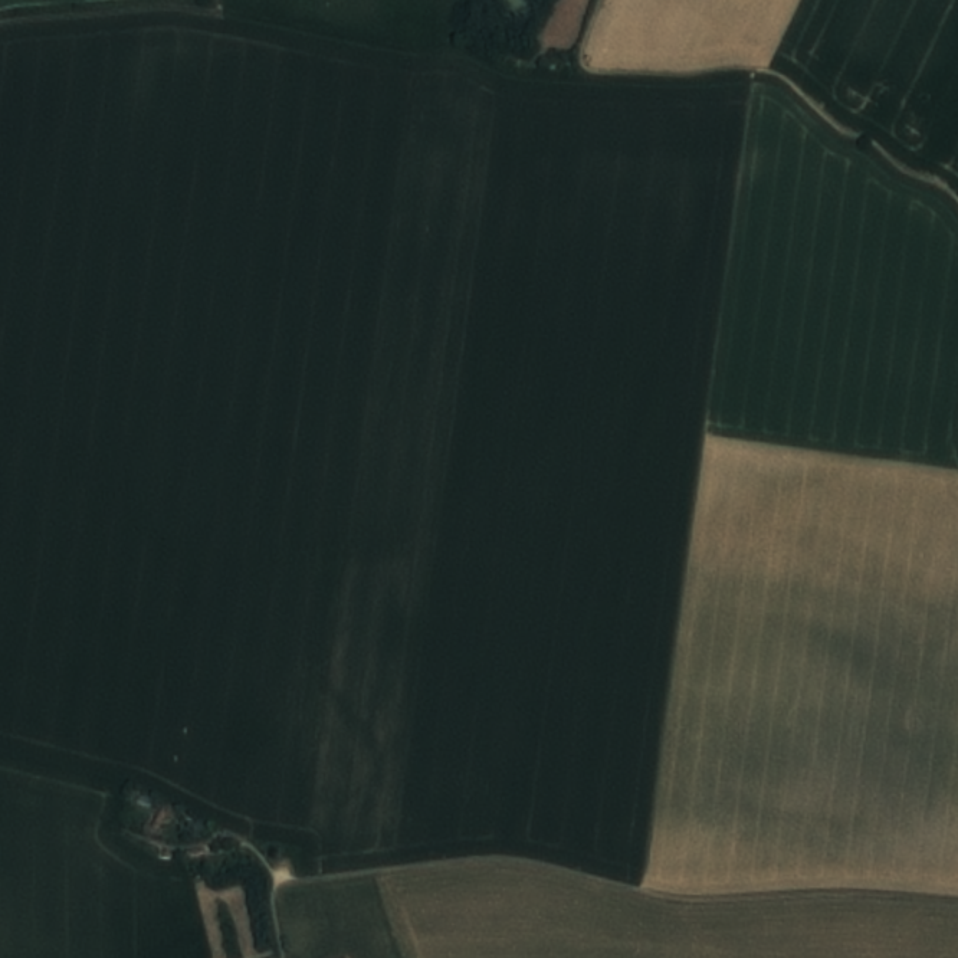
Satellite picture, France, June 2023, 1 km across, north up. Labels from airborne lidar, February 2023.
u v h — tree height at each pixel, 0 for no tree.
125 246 0
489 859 0
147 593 0
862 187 0
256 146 0
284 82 0
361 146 0
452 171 0
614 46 0
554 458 0
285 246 0
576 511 0
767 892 0
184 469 0
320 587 0
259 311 0
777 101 0
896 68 0
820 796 0
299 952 0
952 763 0
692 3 0
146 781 0
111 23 0
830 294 0
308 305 0
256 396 0
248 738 0
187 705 0
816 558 0
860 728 0
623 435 0
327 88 0
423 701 0
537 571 0
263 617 0
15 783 0
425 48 0
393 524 0
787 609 0
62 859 0
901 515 0
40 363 0
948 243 0
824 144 0
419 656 0
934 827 0
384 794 0
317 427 0
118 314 0
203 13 0
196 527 0
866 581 0
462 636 0
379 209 0
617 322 0
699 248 0
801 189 0
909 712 0
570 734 0
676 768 0
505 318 0
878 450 0
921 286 0
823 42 0
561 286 0
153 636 0
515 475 0
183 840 15
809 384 0
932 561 0
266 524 0
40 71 0
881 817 0
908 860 0
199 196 0
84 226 0
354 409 0
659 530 0
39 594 0
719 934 0
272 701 0
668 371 0
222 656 0
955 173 0
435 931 0
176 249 0
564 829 0
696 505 0
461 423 0
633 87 0
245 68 0
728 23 0
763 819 0
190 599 0
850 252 0
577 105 0
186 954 0
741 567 0
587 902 0
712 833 0
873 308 0
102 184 0
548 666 0
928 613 0
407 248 0
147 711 0
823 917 0
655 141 0
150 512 0
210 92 0
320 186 0
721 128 0
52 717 0
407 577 0
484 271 0
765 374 0
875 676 0
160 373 0
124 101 0
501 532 0
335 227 0
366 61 0
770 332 0
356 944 0
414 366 0
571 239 0
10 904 0
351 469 0
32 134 0
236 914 0
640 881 0
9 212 0
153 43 0
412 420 0
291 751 0
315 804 0
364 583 0
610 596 0
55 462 0
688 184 0
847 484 0
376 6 0
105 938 0
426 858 0
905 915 0
